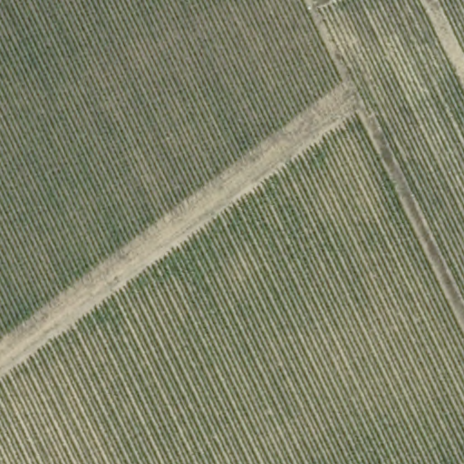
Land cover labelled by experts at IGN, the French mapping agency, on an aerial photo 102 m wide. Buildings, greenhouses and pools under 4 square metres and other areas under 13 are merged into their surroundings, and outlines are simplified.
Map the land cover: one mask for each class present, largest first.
<instances>
[{"label":"vineyard","instance_id":"1","mask_svg":"<svg viewBox=\"0 0 464 464\"><path fill-rule=\"evenodd\" d=\"M350 80L355 87L343 94L344 100H352L353 114V118L346 121L343 129L332 130L330 134H326L319 145L310 147L303 156L288 163L279 174L266 179L263 187L239 199L234 207L219 214L212 223L199 230L198 234H194L183 245L174 248L169 256L161 257L154 265L147 266L136 279H132L125 288H121L120 292L112 294L92 312L78 319V323L72 326L71 330L54 337L53 341H49L27 361L13 368V372L0 379V464H464V0H0V339L13 332L18 324L27 321L42 306L51 303L78 279H82L83 275L89 274L92 268H96L107 257H111L121 246L127 245L134 237L143 234L150 225H154L158 219L172 212L183 199L190 198L199 188L205 187L212 179L223 174L230 165L243 158L246 150L261 145V141L268 140L274 132L286 127L301 112L310 109L312 103L321 100L339 83Z\"/></svg>","mask_w":464,"mask_h":464},{"label":"herbaceous vegetation","instance_id":"2","mask_svg":"<svg viewBox=\"0 0 464 464\"><path fill-rule=\"evenodd\" d=\"M355 87L350 80L339 83L321 100L312 103L310 109L301 112L286 127L274 132L268 140L261 141V145L246 150L243 158L230 165L223 174L212 179L205 187L199 188L190 198L183 199L172 212L158 219L154 225H150L143 234L134 237L127 245L121 246L111 257H107L96 268H92L89 274L83 275L82 279H78L51 303L42 306L27 321L18 324L13 332L0 339V379L13 372V368L27 361L49 341H53L54 337L71 330L72 326L78 323V319L92 312L112 294L120 292L121 288H125L132 279H136L147 266L154 265L161 257L169 256L174 248L183 245L194 234H198L199 230L212 223L219 214L234 207L239 199L263 187L266 179L279 174L288 163L303 156L310 147L319 145L326 134H330L332 130L343 129L346 121L353 118V114L352 100H344L343 94Z\"/></svg>","mask_w":464,"mask_h":464}]
</instances>
